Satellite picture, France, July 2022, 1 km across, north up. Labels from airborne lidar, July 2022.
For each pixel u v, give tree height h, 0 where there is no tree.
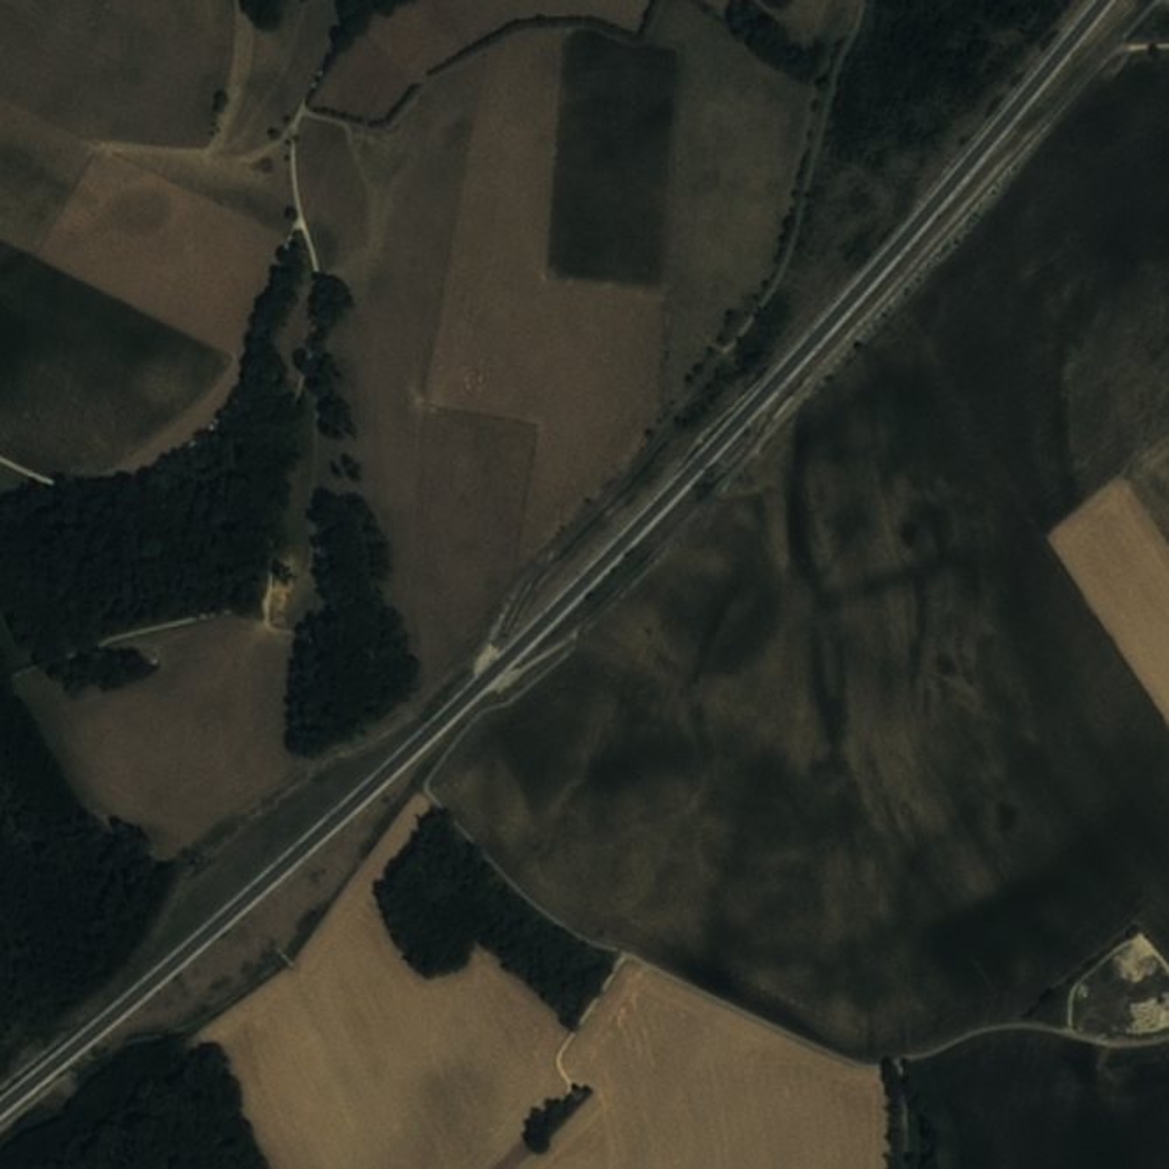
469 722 0
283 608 0
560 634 0
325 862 0
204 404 0
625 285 0
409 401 0
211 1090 24
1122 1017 0
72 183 0
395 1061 0
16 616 23
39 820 24
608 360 0
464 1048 0
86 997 8
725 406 0
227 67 0
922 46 9
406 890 21
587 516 0
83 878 19
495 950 8
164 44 0
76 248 0
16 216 0
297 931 0
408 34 0
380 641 21
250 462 23
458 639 0
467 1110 0
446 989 0
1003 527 0
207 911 0
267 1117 0
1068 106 0
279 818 0
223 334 0
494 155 0
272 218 0
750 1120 0
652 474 0
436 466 0
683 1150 0
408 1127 0
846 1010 0
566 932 14
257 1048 0
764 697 0
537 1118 17
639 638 0
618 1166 0
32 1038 9
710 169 0
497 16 0
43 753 22
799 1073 0
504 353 0
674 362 0
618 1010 0
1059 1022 0
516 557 0
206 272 0
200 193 0
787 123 0
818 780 0
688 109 0
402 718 0
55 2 0
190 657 0
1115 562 0
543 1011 0
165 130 0
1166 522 0
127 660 22
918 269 0
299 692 21
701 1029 0
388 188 0
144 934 14
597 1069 0
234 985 0
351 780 0
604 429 0
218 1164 24
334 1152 0
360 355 0
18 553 24
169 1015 0
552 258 0
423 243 0
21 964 22
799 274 0
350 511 23
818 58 6
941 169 0
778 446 0
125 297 0
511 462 0
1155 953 0
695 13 0
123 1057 9
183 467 21
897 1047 0
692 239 0
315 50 0
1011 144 0
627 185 0
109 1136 26
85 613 26
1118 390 0
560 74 0
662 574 0
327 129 0
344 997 0
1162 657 0
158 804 0
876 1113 0
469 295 0
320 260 0
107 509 25
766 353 5
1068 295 0
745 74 0
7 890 17
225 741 0
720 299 0
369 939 0
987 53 8
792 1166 0
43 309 0
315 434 0
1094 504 0
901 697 0
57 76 0
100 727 0
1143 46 0
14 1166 15
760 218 0
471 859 14
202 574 26
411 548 0
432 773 0
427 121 0
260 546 26
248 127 0
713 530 0
